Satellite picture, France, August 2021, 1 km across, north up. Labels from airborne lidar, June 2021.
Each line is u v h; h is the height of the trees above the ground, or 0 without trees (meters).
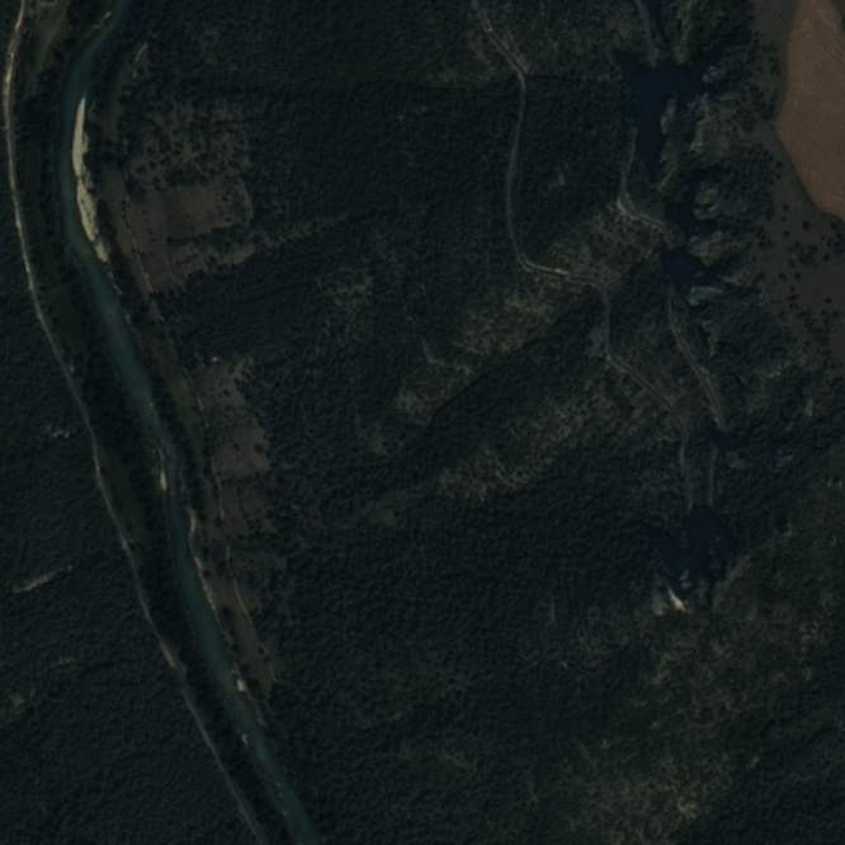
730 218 11
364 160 7
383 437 9
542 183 6
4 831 15
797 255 7
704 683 8
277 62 8
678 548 6
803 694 11
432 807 7
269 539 6
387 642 8
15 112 9
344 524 8
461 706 6
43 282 11
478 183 6
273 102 10
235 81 8
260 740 0
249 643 0
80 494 13
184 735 11
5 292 13
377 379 8
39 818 9
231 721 9
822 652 7
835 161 0
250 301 13
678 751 7
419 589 12
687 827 11
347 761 15
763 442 13
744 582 8
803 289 0
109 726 10
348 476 16
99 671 16
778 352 7
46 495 8
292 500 6
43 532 10
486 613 10
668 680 9
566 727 9
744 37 10
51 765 15
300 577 13
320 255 9
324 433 8
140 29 14
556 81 9
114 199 0
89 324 7
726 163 10
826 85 0
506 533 6
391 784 15
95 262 0
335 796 20
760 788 12
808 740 8
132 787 11
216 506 0
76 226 0
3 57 14
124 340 0
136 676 17
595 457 12
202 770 14
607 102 7
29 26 14
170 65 9
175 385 0
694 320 9
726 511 9
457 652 7
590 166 7
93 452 11
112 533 11
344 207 7
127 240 0
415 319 9
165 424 14
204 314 14
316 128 7
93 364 11
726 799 8
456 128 6
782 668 11
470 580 7
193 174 6
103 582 14
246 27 6
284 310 14
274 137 10
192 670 10
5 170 11
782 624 7
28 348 12
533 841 7
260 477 10
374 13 8
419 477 14
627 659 9
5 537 7
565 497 9
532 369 7
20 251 14
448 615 10
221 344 14
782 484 7
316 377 8
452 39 8
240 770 21
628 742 12
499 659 11
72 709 13
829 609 7
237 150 7
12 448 6
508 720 7
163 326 10
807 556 7
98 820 13
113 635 8
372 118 6
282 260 11
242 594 0
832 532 8
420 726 14
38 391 13
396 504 7
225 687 0
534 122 6
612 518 9
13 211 7
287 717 16
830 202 0
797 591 11
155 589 11
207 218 0
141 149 9
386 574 7
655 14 11
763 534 8
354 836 15
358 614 7
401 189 8
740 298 8
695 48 7
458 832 8
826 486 7
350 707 7
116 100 0
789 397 11
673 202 12
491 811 7
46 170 12
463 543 8
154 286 0
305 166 6
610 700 6
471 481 6
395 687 9
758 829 9
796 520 8
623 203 0
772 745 11
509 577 9
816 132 0
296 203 6
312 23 9
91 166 10
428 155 8
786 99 0
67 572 7
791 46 0
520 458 9
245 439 0
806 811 14
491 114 6
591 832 7
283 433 15
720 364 6
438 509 13
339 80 9
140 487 13
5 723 7
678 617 7
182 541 0
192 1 6
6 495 12
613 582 7
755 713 13
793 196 0
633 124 6
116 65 13
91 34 0
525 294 6
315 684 6
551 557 7
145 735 12
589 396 6
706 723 7
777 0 0
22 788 10
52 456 14
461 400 5
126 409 15
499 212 9
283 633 9
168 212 0
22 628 8
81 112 0
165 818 14
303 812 0
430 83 6
